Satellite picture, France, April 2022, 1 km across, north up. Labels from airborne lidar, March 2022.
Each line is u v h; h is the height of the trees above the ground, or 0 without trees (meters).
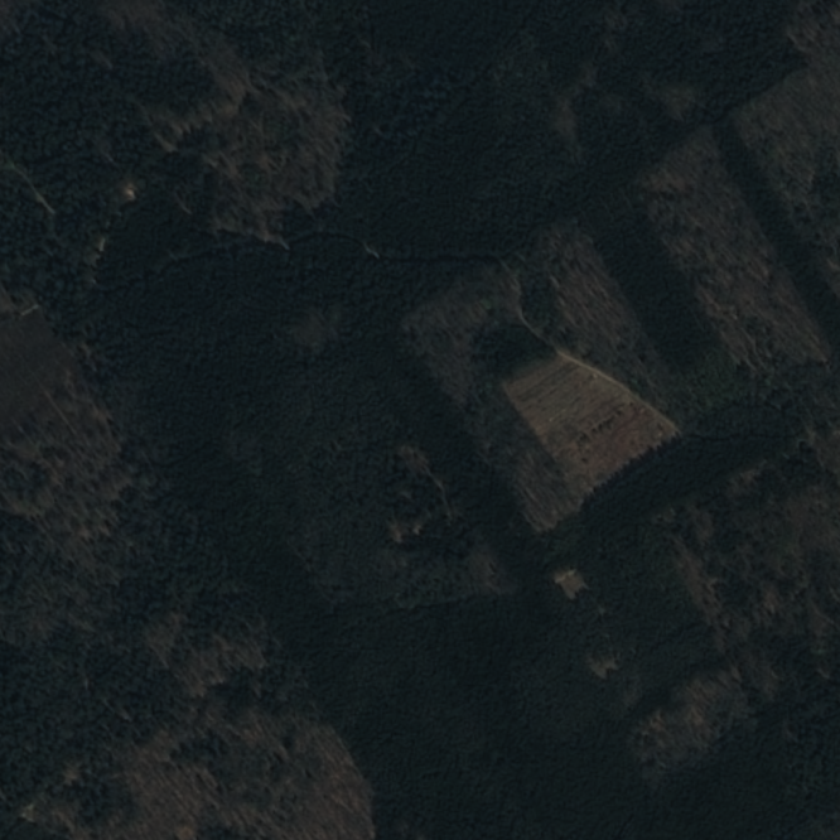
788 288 28
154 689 23
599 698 22
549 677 22
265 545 17
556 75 24
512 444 23
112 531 16
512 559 28
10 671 17
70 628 20
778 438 21
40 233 26
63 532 26
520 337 21
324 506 22
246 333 26
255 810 28
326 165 27
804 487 17
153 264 17
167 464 21
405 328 24
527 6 15
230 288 23
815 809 19
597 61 21
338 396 22
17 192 27
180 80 29
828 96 23
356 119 7
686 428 21
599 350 24
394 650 19
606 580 20
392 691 18
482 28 17
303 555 11
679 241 23
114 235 10
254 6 23
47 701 21
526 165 25
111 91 32
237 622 22
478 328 27
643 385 17
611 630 22
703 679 30
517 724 19
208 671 19
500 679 15
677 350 22
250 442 19
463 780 18
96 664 21
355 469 24
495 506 22
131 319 22
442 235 22
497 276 24
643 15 19
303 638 19
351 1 22
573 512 26
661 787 23
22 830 13
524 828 17
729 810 23
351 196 14
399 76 15
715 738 27
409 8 19
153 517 24
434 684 19
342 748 21
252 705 23
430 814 22
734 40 29
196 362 24
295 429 25
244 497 20
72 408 29
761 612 17
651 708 19
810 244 21
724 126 26
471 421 22
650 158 22
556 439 0
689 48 21
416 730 20
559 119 21
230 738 19
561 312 27
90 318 18
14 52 32
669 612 15
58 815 23
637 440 26
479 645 16
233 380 24
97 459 8
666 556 17
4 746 22
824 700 16
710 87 25
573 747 18
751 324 30
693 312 20
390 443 21
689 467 27
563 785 23
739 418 17
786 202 24
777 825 21
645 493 30
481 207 27
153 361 25
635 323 26
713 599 17
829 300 27
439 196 22
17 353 9
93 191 28
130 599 11
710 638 21
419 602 24
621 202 17
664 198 8
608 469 0
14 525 16
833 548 17
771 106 25
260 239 23
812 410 22
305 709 21
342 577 21
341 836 26
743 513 17
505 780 19
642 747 24
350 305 26
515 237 24
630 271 19
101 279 13
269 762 28
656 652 13
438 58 17
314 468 12
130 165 27
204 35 23
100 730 24
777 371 26
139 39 22
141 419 23
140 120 29
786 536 12
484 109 17
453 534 12
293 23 19
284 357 22
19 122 29
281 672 18
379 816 19
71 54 34
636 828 25
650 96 23
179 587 26
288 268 22
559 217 20
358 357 23
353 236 19
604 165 21
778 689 20
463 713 24
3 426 9
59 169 26
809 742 26
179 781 24
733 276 26
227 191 7
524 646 22
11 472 25
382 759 19
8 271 32
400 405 23
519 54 19
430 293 25
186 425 25
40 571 24
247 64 24
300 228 17
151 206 9
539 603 20
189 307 21
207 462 19
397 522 25
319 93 23
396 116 17
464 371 27
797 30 26
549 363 21
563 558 12
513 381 26
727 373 20
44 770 9
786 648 16
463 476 26
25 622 19
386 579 20
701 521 13
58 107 16
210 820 27
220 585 20
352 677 20
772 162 27
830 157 18
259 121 9
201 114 29
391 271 24
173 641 20
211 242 16
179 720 19
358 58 19
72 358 8
